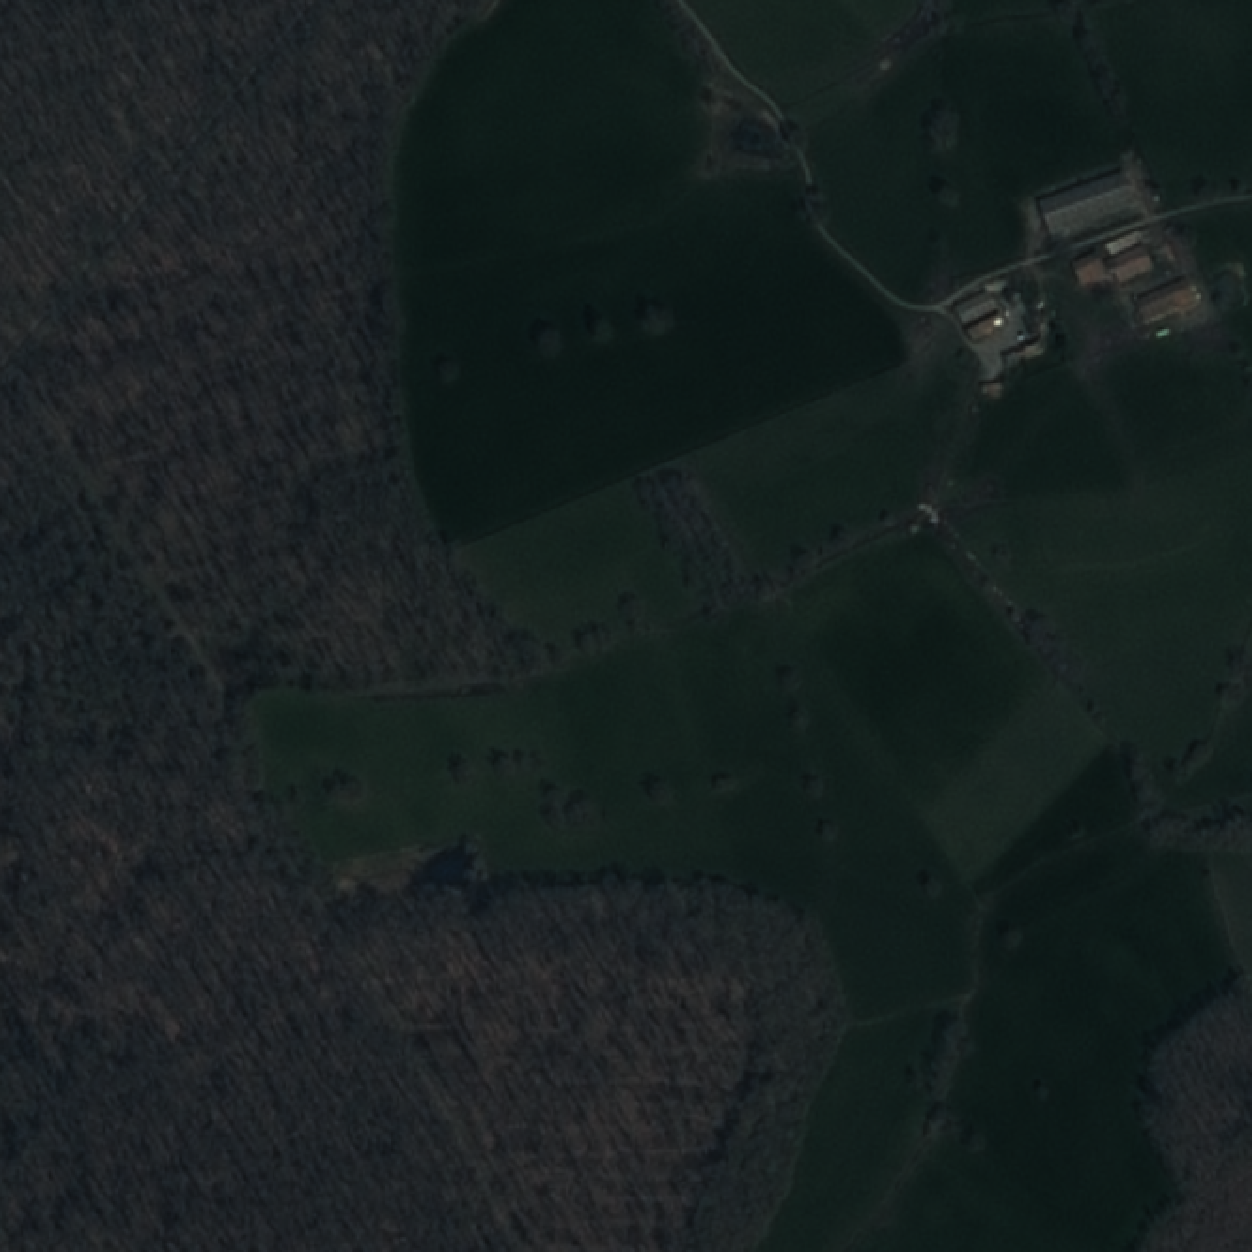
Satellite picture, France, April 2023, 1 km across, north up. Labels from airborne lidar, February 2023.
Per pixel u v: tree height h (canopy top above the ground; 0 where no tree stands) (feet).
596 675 0
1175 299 0
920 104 0
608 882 46
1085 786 0
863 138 0
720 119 0
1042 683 0
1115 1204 0
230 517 0
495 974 123
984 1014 0
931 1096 52
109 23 107
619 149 0
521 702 0
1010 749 0
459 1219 124
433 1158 133
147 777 111
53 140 114
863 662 0
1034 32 0
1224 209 0
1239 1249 25
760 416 0
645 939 100
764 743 0
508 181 0
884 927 0
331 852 0
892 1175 0
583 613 0
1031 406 0
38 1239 113
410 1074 121
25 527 108
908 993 0
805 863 0
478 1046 124
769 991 48
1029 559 0
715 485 0
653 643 0
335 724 0
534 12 0
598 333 74
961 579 0
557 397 0
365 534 73
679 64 0
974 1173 0
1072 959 0
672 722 0
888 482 0
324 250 114
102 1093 112
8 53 101
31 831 107
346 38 109
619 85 0
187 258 116
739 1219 73
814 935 46
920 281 0
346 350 116
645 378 0
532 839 0
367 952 109
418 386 0
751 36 0
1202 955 0
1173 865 0
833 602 0
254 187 114
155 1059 129
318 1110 116
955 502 0
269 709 0
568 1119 114
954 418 0
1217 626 0
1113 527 0
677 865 0
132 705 89
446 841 0
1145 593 0
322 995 119
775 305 0
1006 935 46
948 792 0
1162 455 0
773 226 0
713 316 0
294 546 112
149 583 85
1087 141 0
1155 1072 50
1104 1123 0
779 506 0
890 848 0
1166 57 0
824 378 0
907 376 0
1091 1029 0
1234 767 0
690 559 50
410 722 0
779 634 0
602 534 0
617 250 0
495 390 0
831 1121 0
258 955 126
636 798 0
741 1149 72
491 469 0
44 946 120
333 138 107
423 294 0
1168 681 0
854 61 0
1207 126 0
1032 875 0
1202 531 0
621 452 0
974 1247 0
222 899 110
